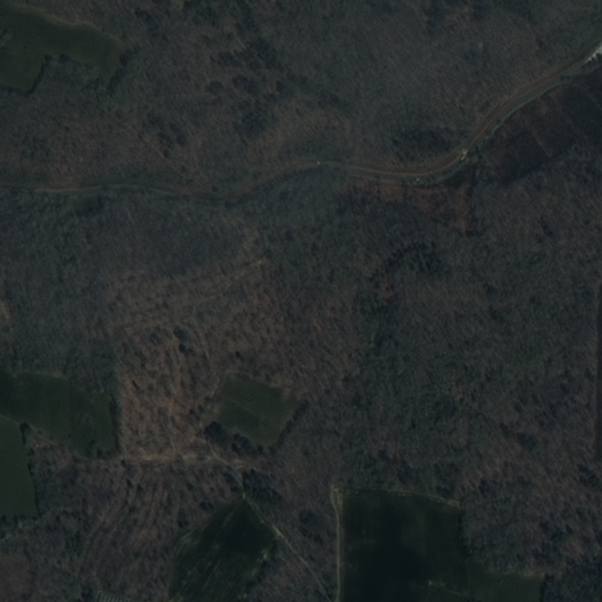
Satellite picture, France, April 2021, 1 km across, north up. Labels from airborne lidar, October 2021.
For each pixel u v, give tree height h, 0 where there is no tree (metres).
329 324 16
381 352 27
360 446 20
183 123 18
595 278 14
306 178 20
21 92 6
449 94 18
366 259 16
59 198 13
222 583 0
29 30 0
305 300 16
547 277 24
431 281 17
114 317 22
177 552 0
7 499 0
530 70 21
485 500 16
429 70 16
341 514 0
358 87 23
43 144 13
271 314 16
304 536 20
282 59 20
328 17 8
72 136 10
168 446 0
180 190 15
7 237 22
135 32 22
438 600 0
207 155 18
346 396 19
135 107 23
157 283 21
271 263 26
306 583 24
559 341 23
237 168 18
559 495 18
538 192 19
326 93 21
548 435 21
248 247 20
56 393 0
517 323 22
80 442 0
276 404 0
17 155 14
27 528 14
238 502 0
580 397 18
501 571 12
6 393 0
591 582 31
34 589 15
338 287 22
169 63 20
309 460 24
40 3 22
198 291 19
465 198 6
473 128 21
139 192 0
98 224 17
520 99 0
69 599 23
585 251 16
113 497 9
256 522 0
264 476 13
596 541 13
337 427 20
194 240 18
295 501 18
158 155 12
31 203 13
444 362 22
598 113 6
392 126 22
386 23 20
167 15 15
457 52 14
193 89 20
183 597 0
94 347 25
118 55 0
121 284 19
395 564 0
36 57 0
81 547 16
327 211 22
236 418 0
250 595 16
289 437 22
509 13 26
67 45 0
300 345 15
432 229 12
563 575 28
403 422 23
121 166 16
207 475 17
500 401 22
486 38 15
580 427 15
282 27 22
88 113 15
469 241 20
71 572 10
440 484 19
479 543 15
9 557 21
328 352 17
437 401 14
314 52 22
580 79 6
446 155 30
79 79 20
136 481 0
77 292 22
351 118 18
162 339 17
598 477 15
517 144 6
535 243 21
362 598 0
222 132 19
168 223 23
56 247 18
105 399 0
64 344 22
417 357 22
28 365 21
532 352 24
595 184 24
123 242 25
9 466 0
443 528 0
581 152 16
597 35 18
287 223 26
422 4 10
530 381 20
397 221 16
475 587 0
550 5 26
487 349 19
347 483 14
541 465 20
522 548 11
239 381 0
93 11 17
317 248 15
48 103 14
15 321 27
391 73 20
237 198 7
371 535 0
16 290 21
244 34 27
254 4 18
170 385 23
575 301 24
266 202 22
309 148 17
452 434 13
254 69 22
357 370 21
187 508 17
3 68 0
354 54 28
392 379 13
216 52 17
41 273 20
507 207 18
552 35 18
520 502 16
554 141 6
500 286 19
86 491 10
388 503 0
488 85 16
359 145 18
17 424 0
